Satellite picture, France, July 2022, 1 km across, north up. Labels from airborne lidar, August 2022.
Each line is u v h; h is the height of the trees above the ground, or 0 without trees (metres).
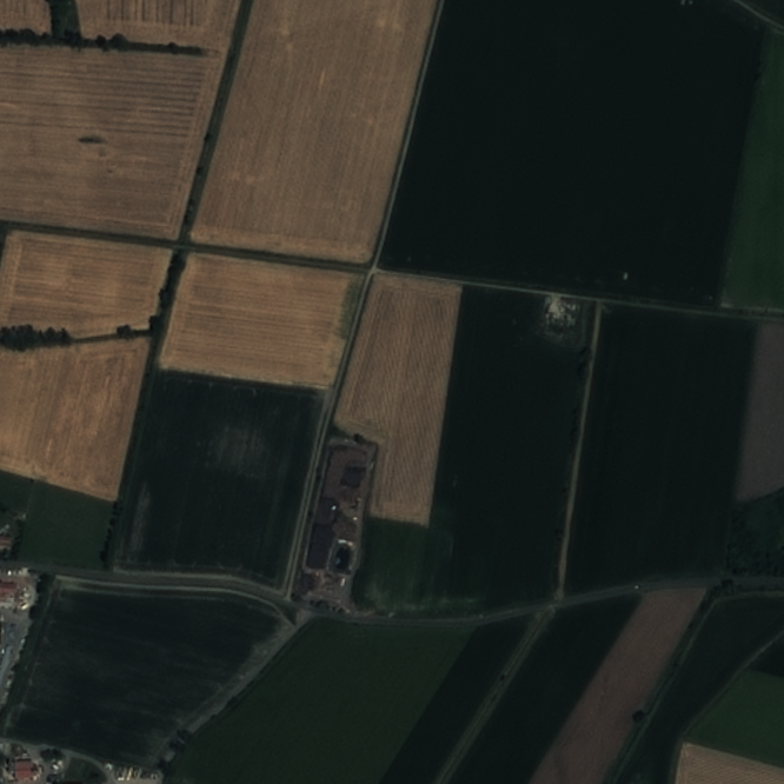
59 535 0
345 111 0
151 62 0
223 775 0
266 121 0
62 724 0
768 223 0
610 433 0
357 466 0
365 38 0
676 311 0
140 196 0
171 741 0
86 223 0
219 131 0
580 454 0
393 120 0
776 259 0
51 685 0
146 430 0
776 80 0
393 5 0
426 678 0
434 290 0
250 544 0
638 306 0
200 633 0
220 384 0
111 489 0
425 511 0
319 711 0
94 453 0
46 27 0
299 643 0
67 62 0
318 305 0
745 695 0
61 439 0
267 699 0
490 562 0
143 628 0
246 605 0
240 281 0
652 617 0
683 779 0
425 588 0
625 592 0
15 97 0
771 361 0
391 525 0
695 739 0
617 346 0
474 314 0
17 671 6
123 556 0
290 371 0
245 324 0
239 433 0
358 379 0
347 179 0
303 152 0
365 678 0
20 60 0
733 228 0
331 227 0
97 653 0
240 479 0
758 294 0
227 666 0
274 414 0
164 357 0
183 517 0
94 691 0
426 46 0
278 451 0
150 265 0
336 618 0
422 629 0
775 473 0
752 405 0
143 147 0
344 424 0
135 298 0
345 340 0
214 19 0
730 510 0
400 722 0
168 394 0
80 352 0
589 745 0
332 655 0
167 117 0
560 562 0
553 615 0
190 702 0
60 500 0
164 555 0
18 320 0
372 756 0
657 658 0
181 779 0
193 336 0
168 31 0
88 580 0
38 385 0
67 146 0
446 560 0
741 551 7
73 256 0
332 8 0
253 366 0
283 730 0
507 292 0
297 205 0
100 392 0
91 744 0
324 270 0
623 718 0
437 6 0
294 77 0
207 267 0
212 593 0
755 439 0
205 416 0
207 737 0
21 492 0
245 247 0
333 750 0
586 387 0
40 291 0
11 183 0
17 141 0
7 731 0
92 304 0
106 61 0
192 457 0
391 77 0
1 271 0
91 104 0
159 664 0
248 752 0
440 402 0
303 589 0
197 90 0
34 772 0
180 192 0
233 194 0
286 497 0
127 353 0
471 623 0
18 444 0
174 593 0
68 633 0
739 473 0
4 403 0
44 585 15
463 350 0
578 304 0
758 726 0
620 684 0
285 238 0
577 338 0
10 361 0
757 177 0
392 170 0
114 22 0
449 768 0
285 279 0
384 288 0
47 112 0
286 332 0
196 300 0
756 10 0
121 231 0
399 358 0
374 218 0
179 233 0
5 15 0
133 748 0
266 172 0
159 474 0
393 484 0
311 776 0
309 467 0
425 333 0
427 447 0
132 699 0
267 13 0
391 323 0
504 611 0
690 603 0
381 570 0
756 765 0
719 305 0
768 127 0
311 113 0
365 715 0
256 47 0
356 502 0
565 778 0
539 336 0
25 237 0
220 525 0
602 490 0
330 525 0
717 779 0
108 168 0
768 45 0
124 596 0
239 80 0
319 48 0
